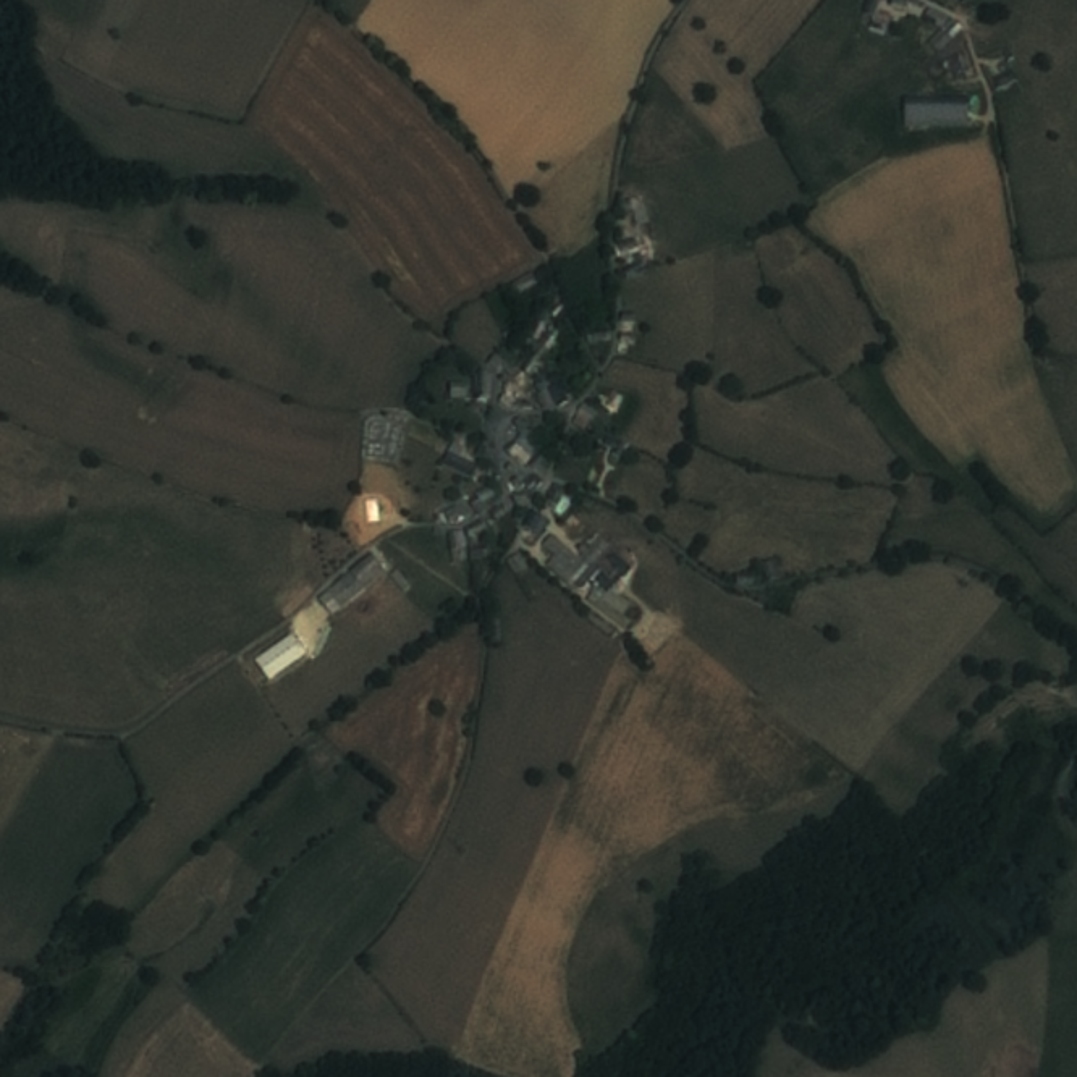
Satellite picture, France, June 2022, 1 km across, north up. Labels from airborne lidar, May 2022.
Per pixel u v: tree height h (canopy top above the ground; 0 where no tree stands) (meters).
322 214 0
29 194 15
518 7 0
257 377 0
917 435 0
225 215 0
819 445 0
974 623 0
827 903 24
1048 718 0
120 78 0
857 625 0
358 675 0
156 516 0
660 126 0
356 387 0
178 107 0
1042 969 0
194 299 0
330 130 0
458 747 0
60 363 0
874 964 7
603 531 0
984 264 0
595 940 0
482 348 0
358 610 0
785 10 0
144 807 12
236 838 0
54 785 0
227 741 0
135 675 0
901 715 0
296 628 0
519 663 0
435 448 0
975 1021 0
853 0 0
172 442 0
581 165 0
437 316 0
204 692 0
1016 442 0
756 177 0
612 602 0
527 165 0
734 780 0
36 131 23
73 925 16
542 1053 0
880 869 27
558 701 0
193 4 0
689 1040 21
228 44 0
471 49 0
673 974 11
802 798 0
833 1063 21
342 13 9
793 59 0
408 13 0
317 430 0
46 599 0
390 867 0
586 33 0
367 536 0
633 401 0
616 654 0
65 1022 0
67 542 0
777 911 6
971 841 22
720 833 0
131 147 0
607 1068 18
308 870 0
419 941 0
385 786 12
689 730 0
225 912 0
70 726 0
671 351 0
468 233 0
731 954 33
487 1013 0
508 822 0
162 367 0
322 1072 19
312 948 0
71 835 0
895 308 0
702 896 9
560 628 0
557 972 0
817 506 0
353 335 0
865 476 0
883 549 8
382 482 0
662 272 0
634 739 0
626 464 13
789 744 0
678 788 0
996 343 0
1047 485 0
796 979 19
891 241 0
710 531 0
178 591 0
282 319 0
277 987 0
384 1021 0
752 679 0
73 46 0
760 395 6
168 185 13
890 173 0
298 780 0
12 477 0
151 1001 0
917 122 0
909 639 0
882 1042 19
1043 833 0
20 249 0
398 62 11
